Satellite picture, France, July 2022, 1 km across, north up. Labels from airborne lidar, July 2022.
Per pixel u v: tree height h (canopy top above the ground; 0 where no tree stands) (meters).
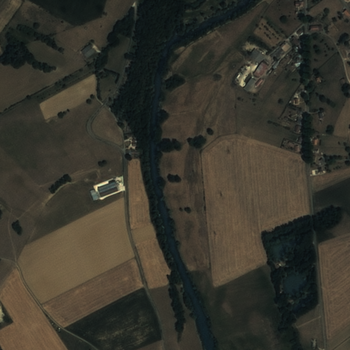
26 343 0
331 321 0
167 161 0
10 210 0
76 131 0
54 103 0
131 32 17
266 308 0
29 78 0
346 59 0
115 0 0
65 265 0
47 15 0
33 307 0
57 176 0
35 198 0
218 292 0
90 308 0
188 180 0
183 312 20
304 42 25
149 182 22
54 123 0
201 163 0
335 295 0
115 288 0
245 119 0
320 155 0
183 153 0
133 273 0
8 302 0
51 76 0
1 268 0
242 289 0
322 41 7
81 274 0
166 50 0
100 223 0
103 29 0
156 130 27
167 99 0
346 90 21
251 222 0
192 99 0
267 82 0
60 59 0
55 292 0
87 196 0
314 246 16
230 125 0
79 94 0
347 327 0
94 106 0
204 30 15
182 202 0
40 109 0
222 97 0
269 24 8
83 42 0
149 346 0
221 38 0
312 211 0
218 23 12
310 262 25
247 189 0
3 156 0
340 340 0
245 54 0
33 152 0
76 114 0
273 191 0
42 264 0
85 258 0
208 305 0
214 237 0
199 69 0
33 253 0
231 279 0
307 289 23
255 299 0
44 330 0
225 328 0
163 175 0
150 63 19
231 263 0
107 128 0
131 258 0
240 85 0
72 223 0
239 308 0
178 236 0
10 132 0
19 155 0
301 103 0
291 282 0
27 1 0
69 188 0
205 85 0
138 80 23
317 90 0
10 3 0
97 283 0
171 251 0
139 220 0
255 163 0
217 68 0
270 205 0
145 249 0
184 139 0
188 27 18
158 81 0
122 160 0
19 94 0
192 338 0
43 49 0
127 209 0
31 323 0
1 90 0
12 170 0
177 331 11
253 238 0
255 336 0
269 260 14
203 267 0
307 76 31
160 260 0
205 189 0
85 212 0
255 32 0
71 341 0
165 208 0
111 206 0
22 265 0
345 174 0
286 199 0
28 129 0
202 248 0
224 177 0
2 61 14
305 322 0
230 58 0
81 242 0
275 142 0
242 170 0
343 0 0
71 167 0
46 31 0
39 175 0
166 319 0
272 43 0
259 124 0
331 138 0
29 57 20
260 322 0
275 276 21
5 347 0
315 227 19
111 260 0
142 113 15
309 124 26
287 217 0
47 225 0
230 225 0
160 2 24
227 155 0
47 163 0
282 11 0
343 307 0
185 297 13
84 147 0
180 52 0
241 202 0
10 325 0
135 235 0
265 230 0
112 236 0
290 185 0
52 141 0
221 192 0
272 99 0
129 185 0
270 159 0
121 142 0
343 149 0
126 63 0
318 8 0
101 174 0
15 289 0
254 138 0
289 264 19
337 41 0
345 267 0
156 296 0
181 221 0
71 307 0
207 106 0
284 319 17
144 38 23
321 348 0
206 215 0
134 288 0
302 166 0
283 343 0
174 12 16
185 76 0
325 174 0
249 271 0
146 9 17
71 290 0
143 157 14
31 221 0
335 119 0
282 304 28
